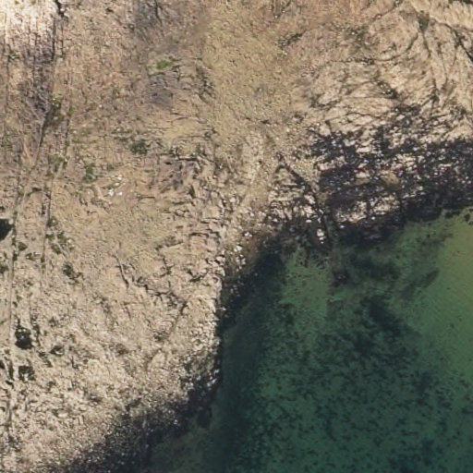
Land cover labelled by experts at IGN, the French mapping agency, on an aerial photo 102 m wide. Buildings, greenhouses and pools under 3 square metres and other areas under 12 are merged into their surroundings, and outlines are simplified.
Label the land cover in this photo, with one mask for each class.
<instances>
[{"label":"bare soil","instance_id":"1","mask_svg":"<svg viewBox=\"0 0 473 473\"><path fill-rule=\"evenodd\" d=\"M379 126L384 129V139L390 140L392 146H401L408 139L419 142H442L473 137V0H0V473H26L37 471L39 462L67 466L78 458L83 449L92 451L94 443L103 442L105 436L113 431L111 418H137L140 414H146L148 410H153L155 406L163 405L166 399L187 401L188 392L194 388V382L200 381L201 377H207V386L212 388L218 377V368H214L218 338L214 334V312H225L222 303L227 297L236 294L242 286V266L257 257V246H266L277 231L283 229L288 218L299 224H310L320 222L323 212L331 211V201H327L329 192L320 190L318 181L325 170L344 166L346 159L336 157L333 161L325 163V150H321L318 157H312V144L323 139L325 135L364 129L362 139L346 140V146H353L358 153L371 152L373 135L377 133ZM405 166L412 168L414 157L397 155L392 166L381 172L384 179L381 190L386 196L371 200V209L382 214L397 209L405 207L408 201L412 200L403 198V192L395 185V170ZM366 216V201H358L353 212L336 211L334 216L336 222L362 220Z\"/></svg>","mask_w":473,"mask_h":473},{"label":"water","instance_id":"2","mask_svg":"<svg viewBox=\"0 0 473 473\"><path fill-rule=\"evenodd\" d=\"M399 220L368 225L347 235H342L336 222L334 216L331 211L323 212L320 222L310 224H299L288 218L283 229L277 231L266 246H257V257L242 266V286L236 294L227 297L222 303L225 312H214V334L218 338L214 368H218V377L212 388L207 386V377H201L200 381L194 382V388L188 392L187 401L166 399L163 405L155 406L153 410H148L146 414H140L137 418H111L113 431L105 436L103 442L94 443L92 451L83 449L78 458L67 466L39 462L37 471L26 473H473V200H460V188L445 187L436 183L427 192H423L421 200H412L408 201L405 207L397 209Z\"/></svg>","mask_w":473,"mask_h":473},{"label":"herbaceous vegetation","instance_id":"3","mask_svg":"<svg viewBox=\"0 0 473 473\"><path fill-rule=\"evenodd\" d=\"M364 129L325 135L323 139L312 144V157H318L321 150H325V163L333 161L336 157L346 159L344 166L325 170L318 181L320 190L329 192L327 201H331V211L334 216L336 211L353 212L358 201H366V216L362 220L336 222L342 235H347L368 225L399 220L397 209L382 214L371 209V200L386 196L381 190L384 179L381 172L392 166L397 155L414 157L412 168L405 166L395 170V185L403 192V198L412 200H421L423 192H427L436 183L445 187L460 188V200H473V137L442 142H419L408 139L401 146H392L390 140L384 139V129L379 126L377 133L373 135L371 152L358 153L353 146H346V140L362 139Z\"/></svg>","mask_w":473,"mask_h":473}]
</instances>
